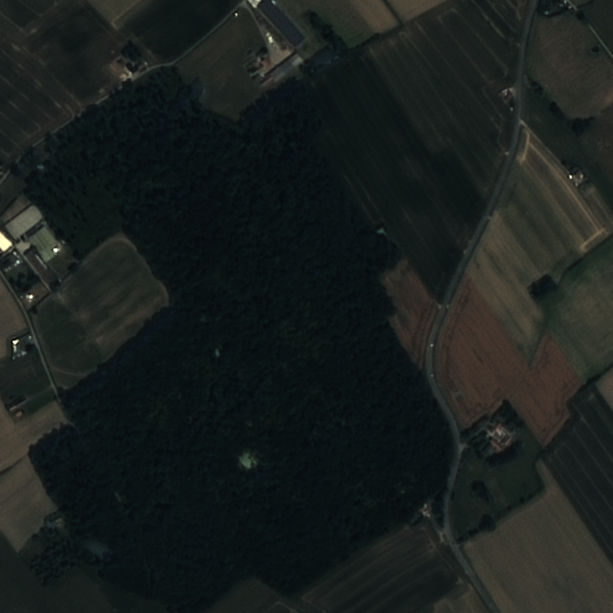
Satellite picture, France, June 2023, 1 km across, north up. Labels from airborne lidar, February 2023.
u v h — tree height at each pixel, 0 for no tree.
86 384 16
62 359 0
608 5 0
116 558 22
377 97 0
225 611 0
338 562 12
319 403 25
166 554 27
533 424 0
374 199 0
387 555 0
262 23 0
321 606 0
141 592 20
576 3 0
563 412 0
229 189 22
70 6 0
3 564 0
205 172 11
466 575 0
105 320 0
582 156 0
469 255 0
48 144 18
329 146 0
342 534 16
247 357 22
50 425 0
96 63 0
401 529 0
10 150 0
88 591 0
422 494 19
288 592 16
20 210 0
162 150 18
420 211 0
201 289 20
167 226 19
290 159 23
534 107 0
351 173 0
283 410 22
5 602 0
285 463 16
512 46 0
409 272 0
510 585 0
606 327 0
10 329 0
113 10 0
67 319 0
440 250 0
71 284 0
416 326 0
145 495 26
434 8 0
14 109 0
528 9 0
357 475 22
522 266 0
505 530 0
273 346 22
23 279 11
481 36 0
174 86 0
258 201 23
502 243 0
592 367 0
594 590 0
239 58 0
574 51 0
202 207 29
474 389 0
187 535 29
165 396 25
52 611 0
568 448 0
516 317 0
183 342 21
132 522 28
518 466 0
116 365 17
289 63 0
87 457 25
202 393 22
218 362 17
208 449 23
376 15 0
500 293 0
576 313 0
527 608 0
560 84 0
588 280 0
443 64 0
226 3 0
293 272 23
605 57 0
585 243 0
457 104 0
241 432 22
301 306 17
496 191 0
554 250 0
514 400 0
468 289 0
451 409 0
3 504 0
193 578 21
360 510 16
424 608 0
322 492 22
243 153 20
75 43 0
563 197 0
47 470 24
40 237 0
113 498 22
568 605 0
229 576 24
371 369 27
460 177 0
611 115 0
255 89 0
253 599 0
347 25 0
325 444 24
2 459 0
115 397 20
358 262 30
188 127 22
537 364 0
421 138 0
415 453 25
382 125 0
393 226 0
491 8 0
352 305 15
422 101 0
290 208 20
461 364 0
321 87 0
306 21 0
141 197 18
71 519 12
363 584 0
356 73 0
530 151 0
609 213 0
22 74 0
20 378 0
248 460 0
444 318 0
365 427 22
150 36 0
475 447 9
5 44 0
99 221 0
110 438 25
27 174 0
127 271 0
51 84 0
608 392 0
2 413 0
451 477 0
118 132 24
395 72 0
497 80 0
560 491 0
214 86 0
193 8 0
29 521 0
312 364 22
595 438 0
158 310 0
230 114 0
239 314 20
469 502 0
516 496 0
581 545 0
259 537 22
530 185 0
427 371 0
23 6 0
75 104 0
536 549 0
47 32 0
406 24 0
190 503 27
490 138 0
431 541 0
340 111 0
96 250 0
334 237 29
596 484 0
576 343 0
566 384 0
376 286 23
